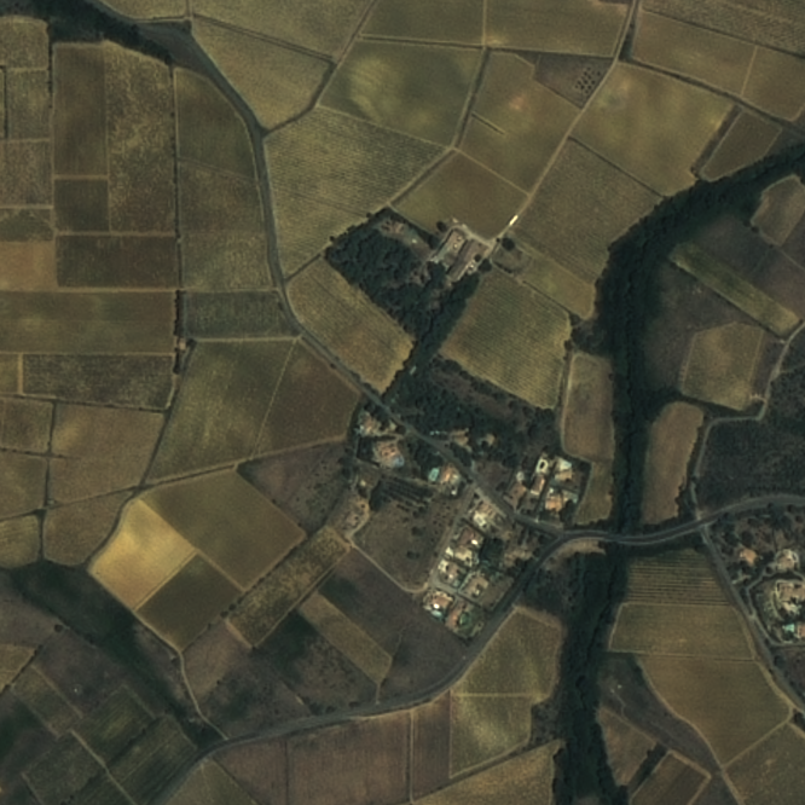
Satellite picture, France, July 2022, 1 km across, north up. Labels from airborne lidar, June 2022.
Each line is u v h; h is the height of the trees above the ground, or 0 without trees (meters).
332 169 0
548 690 0
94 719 0
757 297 0
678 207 15
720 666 0
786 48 0
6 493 0
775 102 0
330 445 0
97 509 0
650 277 6
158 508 0
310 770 0
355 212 0
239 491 0
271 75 0
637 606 0
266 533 0
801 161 8
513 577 8
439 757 0
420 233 7
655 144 0
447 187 0
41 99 0
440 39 0
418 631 0
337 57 0
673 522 9
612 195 0
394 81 0
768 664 0
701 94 0
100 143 0
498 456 8
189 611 0
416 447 8
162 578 0
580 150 0
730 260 0
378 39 0
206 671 0
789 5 0
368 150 0
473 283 14
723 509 0
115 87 0
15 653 0
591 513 0
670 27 0
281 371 0
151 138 0
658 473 0
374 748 0
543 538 11
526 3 0
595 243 0
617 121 0
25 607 0
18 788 0
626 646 0
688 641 0
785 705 0
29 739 0
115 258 0
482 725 0
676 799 0
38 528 0
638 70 0
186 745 0
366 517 0
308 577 0
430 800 0
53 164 0
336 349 0
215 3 0
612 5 0
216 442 0
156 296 0
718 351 0
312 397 0
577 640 7
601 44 0
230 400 0
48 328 0
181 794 0
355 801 0
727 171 0
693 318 0
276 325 0
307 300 0
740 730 0
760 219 0
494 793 0
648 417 15
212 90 0
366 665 0
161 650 0
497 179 0
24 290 0
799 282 0
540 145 0
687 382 0
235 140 0
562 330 0
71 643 0
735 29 0
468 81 0
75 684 0
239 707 0
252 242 0
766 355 0
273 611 0
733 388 0
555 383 0
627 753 0
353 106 0
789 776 0
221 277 0
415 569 0
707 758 0
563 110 0
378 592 0
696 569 0
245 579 0
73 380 0
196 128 0
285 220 0
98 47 0
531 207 0
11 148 0
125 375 0
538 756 0
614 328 7
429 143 0
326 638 0
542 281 0
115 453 0
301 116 0
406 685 0
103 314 0
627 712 0
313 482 0
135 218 0
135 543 0
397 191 0
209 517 0
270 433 0
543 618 0
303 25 0
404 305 16
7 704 0
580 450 0
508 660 0
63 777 0
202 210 0
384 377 0
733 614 0
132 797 0
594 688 22
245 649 0
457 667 0
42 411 0
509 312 0
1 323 0
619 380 10
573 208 0
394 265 11
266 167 0
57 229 0
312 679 0
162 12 0
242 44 0
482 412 12
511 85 0
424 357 10
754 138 0
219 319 0
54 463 0
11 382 0
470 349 0
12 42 0
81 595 0
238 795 0
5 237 0
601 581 11
